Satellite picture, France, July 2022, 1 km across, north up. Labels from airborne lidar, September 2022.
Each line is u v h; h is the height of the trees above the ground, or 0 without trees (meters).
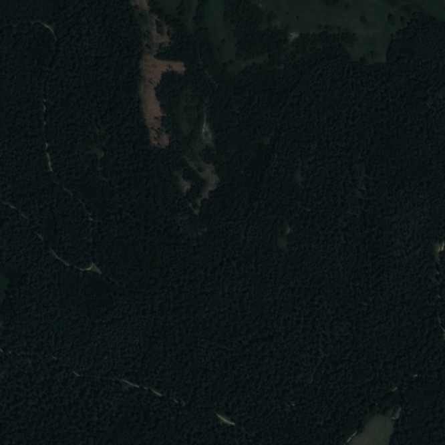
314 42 11
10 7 8
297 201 16
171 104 12
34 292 20
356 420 24
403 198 15
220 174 14
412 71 10
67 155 20
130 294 17
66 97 7
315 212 22
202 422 26
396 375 21
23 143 19
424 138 21
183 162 15
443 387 28
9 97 10
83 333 25
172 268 22
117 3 13
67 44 22
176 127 10
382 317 11
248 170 18
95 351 28
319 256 21
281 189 20
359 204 8
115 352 36
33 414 16
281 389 19
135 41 19
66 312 12
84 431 14
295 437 30
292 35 0
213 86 14
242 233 9
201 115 8
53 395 30
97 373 31
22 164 21
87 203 12
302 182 8
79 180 14
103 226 22
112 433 16
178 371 7
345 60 20
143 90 0
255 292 22
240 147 11
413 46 26
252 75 12
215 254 16
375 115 16
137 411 10
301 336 30
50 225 9
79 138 23
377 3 0
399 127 24
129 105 22
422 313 14
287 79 13
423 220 7
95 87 18
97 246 26
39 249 16
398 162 23
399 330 14
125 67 22
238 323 23
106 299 14
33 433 12
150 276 12
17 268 11
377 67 13
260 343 27
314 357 32
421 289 20
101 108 28
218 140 9
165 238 11
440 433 27
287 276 22
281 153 24
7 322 12
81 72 23
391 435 0
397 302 18
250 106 20
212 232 23
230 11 9
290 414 25
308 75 27
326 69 21
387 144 20
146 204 10
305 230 16
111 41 21
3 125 11
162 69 0
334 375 19
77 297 19
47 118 25
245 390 20
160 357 14
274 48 14
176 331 19
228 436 29
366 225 19
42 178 21
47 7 14
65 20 23
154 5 8
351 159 25
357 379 27
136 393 30
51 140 21
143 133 23
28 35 21
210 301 29
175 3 0
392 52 18
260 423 30
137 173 26
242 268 24
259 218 25
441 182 16
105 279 13
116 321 30
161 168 13
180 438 9
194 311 19
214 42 0
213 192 14
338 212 25
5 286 0
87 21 8
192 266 18
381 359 6
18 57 16
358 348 16
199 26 12
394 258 16
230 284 9
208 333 8
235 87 11
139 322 38
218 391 22
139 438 12
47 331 32
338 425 27
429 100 27
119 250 19
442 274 25
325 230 28
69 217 30
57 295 26
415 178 23
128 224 25
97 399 33
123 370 33
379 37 0
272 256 18
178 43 11
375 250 18
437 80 13
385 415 13
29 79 13
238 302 21
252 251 14
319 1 0
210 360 17
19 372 8
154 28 0
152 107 0
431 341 23
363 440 0
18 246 18
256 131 23
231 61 9
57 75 18
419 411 25
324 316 26
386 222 17
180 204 17
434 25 20
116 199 32
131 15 11
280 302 9
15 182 18
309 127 27
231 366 25
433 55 19
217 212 21
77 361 30
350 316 15
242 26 8
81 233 24
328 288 24
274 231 8
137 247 15
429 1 0
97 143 10
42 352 25
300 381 7
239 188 25
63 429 20
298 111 19
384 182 26
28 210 27
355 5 0
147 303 21
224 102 13
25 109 16
